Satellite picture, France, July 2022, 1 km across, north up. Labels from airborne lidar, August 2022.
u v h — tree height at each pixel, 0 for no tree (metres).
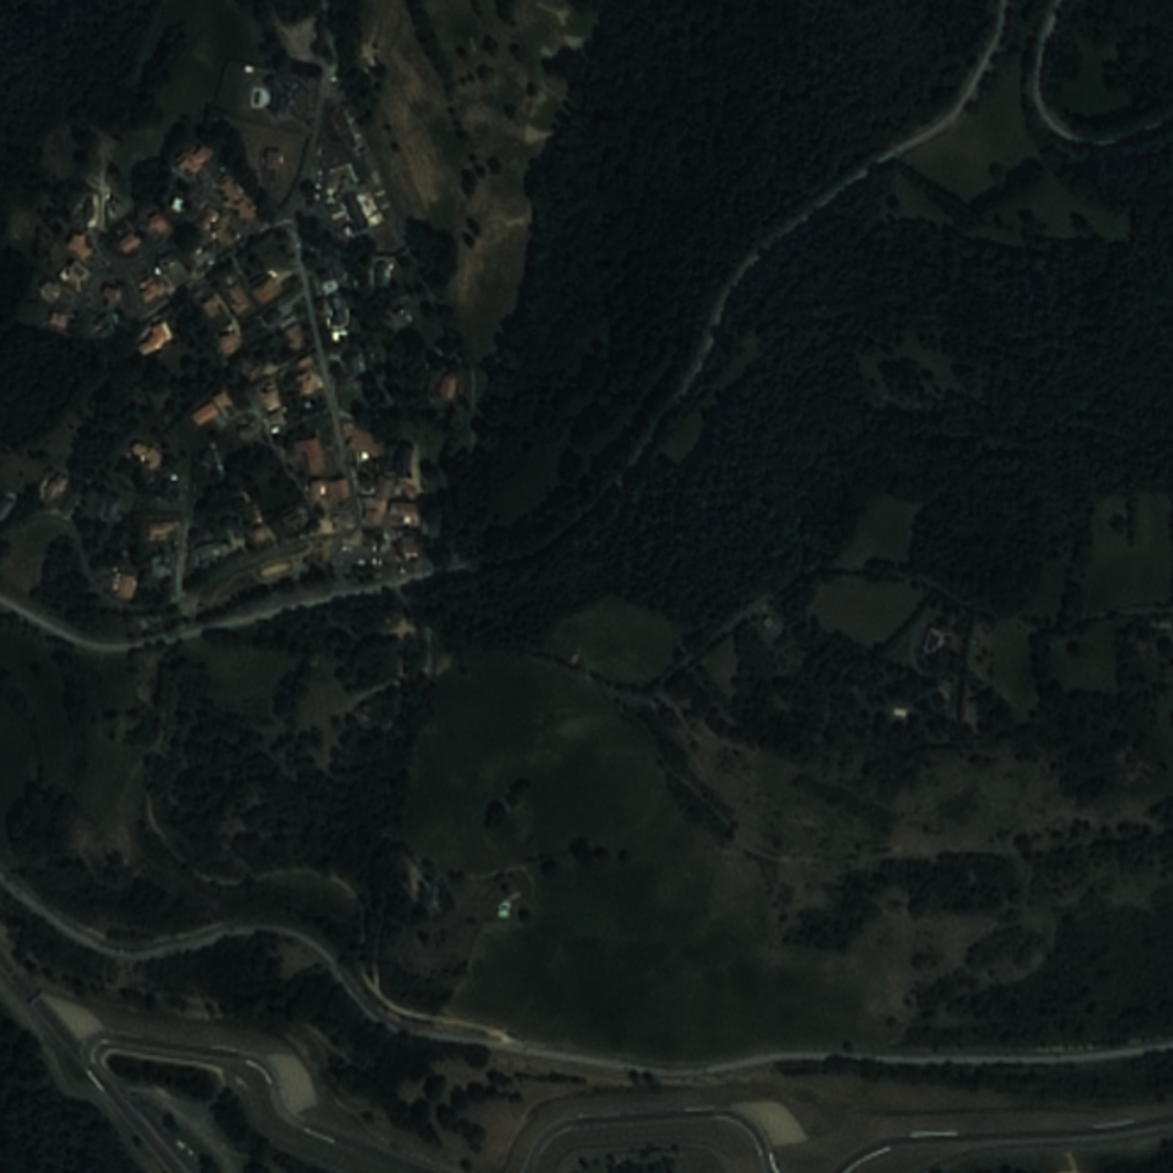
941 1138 0
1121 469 11
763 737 8
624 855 9
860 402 10
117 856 8
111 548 10
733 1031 0
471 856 0
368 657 11
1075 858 8
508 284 0
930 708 18
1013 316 21
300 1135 0
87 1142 22
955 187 0
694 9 23
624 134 22
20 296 6
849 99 17
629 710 6
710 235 18
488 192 0
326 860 15
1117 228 0
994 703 15
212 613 9
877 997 0
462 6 0
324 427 0
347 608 16
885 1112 0
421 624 12
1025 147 0
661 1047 0
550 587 17
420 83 0
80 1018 0
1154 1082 9
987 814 0
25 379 22
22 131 18
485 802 0
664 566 15
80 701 16
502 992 0
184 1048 0
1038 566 12
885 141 14
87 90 15
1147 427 15
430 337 0
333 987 11
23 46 25
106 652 0
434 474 14
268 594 14
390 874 13
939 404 12
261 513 8
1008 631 0
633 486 19
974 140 0
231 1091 8
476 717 0
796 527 10
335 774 11
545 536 18
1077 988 7
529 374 30
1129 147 17
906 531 0
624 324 16
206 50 0
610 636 0
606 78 21
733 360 11
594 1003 0
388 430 9
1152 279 17
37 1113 29
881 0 24
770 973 0
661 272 13
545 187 25
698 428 0
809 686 5
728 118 29
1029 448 13
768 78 27
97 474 8
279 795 10
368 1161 0
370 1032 9
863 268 17
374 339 6
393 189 0
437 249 25
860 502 11
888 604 0
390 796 13
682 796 8
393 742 12
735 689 7
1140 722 0
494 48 11
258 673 0
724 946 0
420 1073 11
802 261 16
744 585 13
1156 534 0
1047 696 18
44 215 7
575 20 0
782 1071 6
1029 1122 0
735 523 17
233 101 0
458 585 15
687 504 16
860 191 13
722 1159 0
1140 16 24
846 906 8
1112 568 0
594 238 31
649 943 0
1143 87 10
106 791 0
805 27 25
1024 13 11
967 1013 7
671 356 12
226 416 0
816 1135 0
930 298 18
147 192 16
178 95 0
